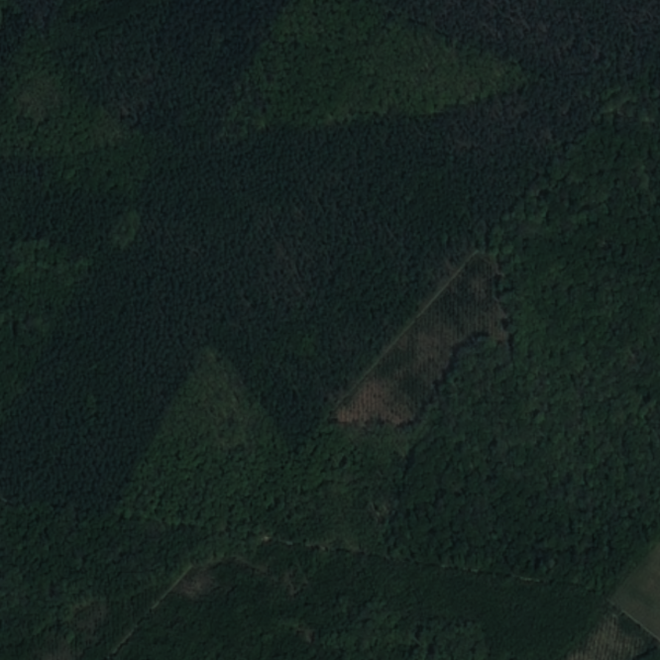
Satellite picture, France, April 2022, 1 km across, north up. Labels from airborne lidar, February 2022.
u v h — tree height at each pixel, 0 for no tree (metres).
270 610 12
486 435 28
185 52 31
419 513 30
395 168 25
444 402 24
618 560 27
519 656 15
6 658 9
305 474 23
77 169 21
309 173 26
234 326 20
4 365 23
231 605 10
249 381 25
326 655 9
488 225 23
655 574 0
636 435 30
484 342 26
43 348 23
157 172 25
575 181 26
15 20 21
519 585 10
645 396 30
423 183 21
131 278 22
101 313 25
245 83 30
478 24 21
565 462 29
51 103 20
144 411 23
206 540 25
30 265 24
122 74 26
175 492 26
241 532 27
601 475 27
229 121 27
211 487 26
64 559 20
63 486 28
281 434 25
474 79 27
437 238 22
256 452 27
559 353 26
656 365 28
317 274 22
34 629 21
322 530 16
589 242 26
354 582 11
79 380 29
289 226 20
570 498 29
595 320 26
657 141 28
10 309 20
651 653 12
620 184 26
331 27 25
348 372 21
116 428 30
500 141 21
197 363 27
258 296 20
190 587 0
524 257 27
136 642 8
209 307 24
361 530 16
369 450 23
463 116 26
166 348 27
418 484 28
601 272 26
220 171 26
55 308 23
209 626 11
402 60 29
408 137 23
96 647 8
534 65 19
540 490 30
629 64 20
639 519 26
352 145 20
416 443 26
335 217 24
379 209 22
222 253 25
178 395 28
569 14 18
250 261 21
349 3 25
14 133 20
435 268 23
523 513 29
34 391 26
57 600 23
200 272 26
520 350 28
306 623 8
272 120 27
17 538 22
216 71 29
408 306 22
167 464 26
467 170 24
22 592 27
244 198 23
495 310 0
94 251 23
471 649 29
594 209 29
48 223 22
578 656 0
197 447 25
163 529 25
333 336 23
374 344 24
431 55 26
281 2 34
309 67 27
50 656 0
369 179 24
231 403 29
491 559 24
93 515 23
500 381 30
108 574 26
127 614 8
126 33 22
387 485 16
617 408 30
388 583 16
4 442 24
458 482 29
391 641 17
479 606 12
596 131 23
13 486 28
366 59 27
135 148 20
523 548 27
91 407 21
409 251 20
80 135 21
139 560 22
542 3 25
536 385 32
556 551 25
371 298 22
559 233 26
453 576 14
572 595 12
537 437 28
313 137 24
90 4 10
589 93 20
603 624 0
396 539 30
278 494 26
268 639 13
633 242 25
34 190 20
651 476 32
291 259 24
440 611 15
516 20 22
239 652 13
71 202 21
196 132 25
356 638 21
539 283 28
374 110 26
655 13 16
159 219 26
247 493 24
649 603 0
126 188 22
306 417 23
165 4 15
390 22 24
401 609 12
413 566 11
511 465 30
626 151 28
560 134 26
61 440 27
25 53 21
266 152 24
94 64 22
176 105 26
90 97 20
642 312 23
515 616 13
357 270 22
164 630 7
